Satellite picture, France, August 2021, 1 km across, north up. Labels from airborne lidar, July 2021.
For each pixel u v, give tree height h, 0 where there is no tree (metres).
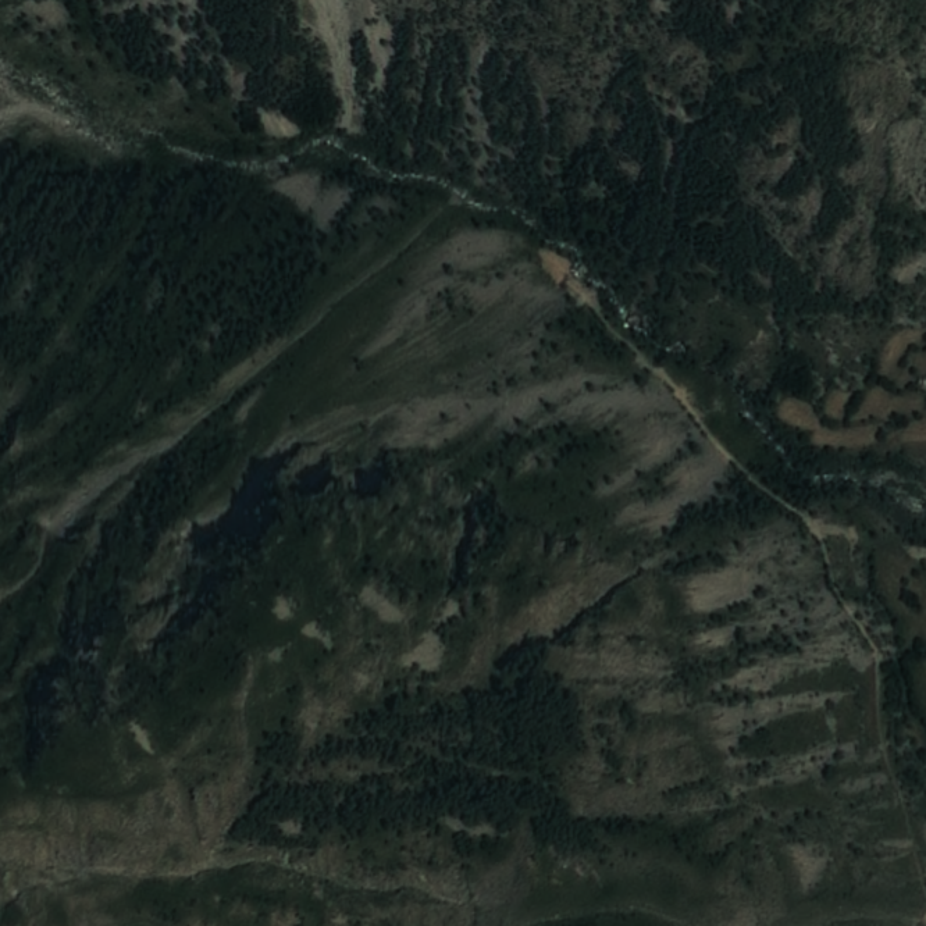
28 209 28
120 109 0
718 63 24
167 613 0
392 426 0
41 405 0
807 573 0
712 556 14
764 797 0
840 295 18
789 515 10
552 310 0
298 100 16
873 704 0
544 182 17
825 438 0
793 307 16
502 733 9
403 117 13
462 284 0
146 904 0
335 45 0
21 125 0
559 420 0
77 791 0
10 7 0
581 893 0
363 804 25
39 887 0
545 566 0
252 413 0
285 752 25
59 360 6
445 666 0
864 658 0
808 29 11
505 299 0
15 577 0
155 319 6
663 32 6
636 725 9
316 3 0
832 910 0
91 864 0
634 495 0
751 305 15
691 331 0
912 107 14
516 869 8
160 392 0
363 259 0
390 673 0
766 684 0
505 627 0
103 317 18
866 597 7
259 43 25
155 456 0
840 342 7
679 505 0
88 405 0
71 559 0
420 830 7
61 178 17
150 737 0
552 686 22
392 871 6
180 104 0
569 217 17
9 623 0
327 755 15
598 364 0
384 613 0
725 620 15
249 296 17
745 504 20
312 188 0
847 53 10
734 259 17
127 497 0
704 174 17
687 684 12
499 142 24
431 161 10
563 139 26
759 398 7
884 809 0
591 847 16
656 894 0
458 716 25
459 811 25
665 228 26
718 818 10
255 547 7
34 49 0
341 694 6
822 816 13
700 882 0
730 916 0
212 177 23
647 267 23
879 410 0
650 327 11
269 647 0
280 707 0
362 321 0
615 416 0
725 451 0
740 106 16
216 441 7
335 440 0
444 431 0
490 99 25
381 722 29
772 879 0
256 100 11
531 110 20
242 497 0
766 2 20
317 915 0
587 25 7
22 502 0
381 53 0
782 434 9
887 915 0
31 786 0
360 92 8
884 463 6
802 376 16
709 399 0
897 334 0
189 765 0
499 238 0
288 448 0
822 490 7
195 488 6
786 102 17
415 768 13
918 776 7
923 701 0
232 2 33
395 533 6
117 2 14
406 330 0
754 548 0
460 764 22
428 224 0
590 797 0
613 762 15
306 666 0
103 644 0
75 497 0
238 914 0
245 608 0
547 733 28
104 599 7
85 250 6
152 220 7
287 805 29
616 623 0
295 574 0
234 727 0
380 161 11
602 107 9
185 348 16
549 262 0
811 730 0
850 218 10
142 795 0
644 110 13
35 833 0
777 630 14
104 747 0
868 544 0
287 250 23
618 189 10
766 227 13
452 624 18
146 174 15
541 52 10
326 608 0
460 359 0
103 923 0
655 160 24
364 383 0
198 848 0
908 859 0
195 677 0
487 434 0
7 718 0
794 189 20
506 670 25
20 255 9
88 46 0
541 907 0
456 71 7
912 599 12
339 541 0
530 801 29
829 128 16
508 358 0
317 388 0
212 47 23
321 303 0
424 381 0
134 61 16
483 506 9
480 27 6
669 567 14
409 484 6
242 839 17
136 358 10
